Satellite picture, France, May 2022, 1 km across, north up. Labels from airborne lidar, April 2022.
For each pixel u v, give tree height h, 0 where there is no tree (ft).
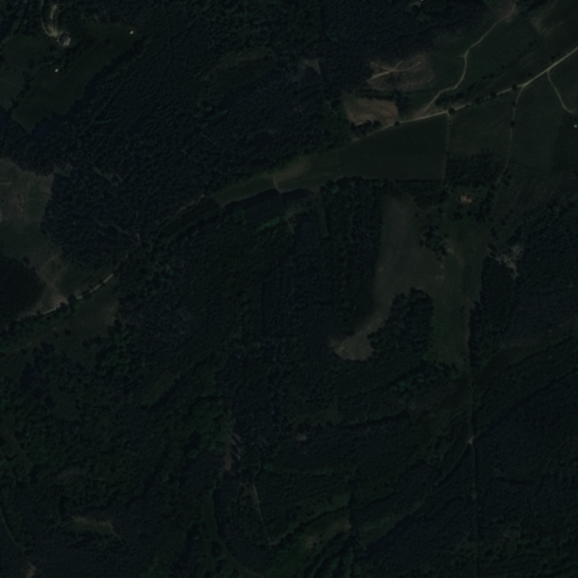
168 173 82
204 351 69
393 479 55
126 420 58
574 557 50
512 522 48
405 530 83
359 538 51
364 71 92
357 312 47
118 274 29
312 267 56
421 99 0
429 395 87
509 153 0
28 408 55
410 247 0
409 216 0
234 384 113
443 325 0
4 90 0
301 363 68
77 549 79
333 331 65
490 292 54
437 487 42
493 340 51
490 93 0
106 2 110
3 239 0
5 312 44
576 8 0
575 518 68
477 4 95
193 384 75
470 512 91
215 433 91
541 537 49
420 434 21
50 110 0
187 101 29
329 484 44
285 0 36
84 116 94
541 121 0
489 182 22
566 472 57
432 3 31
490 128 0
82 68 0
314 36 79
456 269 0
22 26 45
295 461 52
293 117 88
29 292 33
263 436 64
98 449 41
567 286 65
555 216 39
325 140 56
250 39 29
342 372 20
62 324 0
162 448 33
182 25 39
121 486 41
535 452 69
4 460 37
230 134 80
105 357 69
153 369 87
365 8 86
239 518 50
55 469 48
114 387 67
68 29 32
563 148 0
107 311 0
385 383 24
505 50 0
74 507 58
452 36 87
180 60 50
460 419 19
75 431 26
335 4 118
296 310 101
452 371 71
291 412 51
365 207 52
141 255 19
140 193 93
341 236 38
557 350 28
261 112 99
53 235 100
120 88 22
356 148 0
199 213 26
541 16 0
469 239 0
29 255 0
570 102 0
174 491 28
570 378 31
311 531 30
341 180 0
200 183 73
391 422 70
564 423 65
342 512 39
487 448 45
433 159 0
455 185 38
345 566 71
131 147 66
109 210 77
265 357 94
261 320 45
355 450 61
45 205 0
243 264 28
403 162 0
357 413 33
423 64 0
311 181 0
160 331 100
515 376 31
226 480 90
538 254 52
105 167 94
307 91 74
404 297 53
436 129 0
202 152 98
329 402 29
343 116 47
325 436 70
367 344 0
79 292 0
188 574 92
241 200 0
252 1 102
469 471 44
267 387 47
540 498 62
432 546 82
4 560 62
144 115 20
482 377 22
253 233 34
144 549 70
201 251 57
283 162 58
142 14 99
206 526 19
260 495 32
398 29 121
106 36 0
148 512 88
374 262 53
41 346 0
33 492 68
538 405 74
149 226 94
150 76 34
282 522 65
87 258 90
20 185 0
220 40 31
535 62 0
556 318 75
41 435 56
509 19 0
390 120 0
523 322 72
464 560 27
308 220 100
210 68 26
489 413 30
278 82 73
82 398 61
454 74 0
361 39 115
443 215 37
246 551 73
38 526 76
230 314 72
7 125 104
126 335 77
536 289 58
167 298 71
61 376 73
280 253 30
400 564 79
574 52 0
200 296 64
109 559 76
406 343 47
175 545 23
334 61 96
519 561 33
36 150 88
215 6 26
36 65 48
